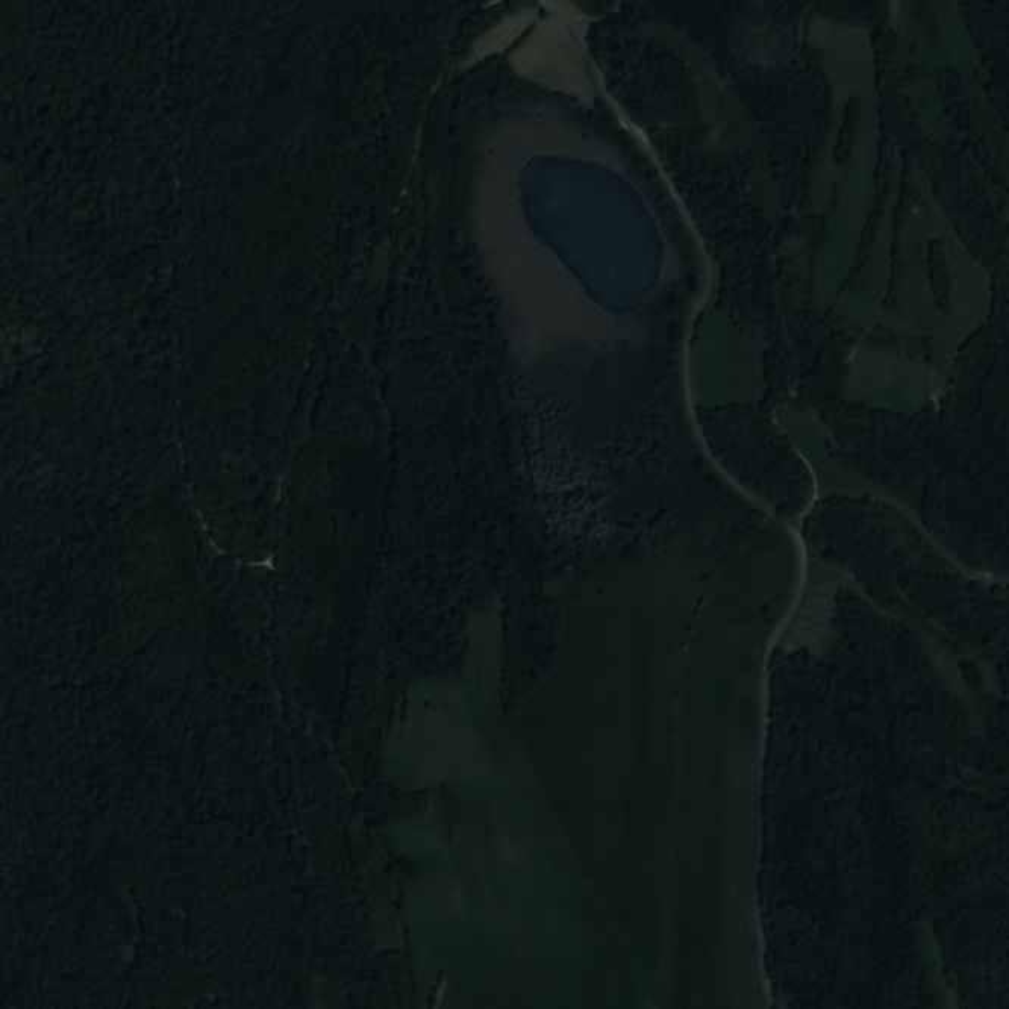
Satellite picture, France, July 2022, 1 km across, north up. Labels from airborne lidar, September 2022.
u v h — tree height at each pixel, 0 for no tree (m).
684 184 18
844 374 18
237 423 18
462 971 0
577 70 0
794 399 7
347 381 15
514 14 10
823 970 14
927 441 14
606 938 0
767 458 6
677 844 0
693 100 14
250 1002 16
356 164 17
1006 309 12
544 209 0
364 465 10
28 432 15
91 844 22
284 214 19
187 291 15
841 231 0
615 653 0
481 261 6
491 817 0
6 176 16
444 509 19
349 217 15
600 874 0
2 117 18
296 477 7
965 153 18
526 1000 0
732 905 0
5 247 13
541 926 0
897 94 17
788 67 7
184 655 17
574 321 0
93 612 12
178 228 11
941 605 14
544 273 0
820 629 0
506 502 23
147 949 16
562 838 0
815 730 17
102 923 18
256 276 17
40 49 14
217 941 15
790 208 13
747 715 0
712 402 0
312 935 10
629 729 0
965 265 0
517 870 0
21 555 16
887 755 15
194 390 18
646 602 0
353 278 19
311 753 20
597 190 0
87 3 8
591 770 0
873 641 21
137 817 17
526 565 10
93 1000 19
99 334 11
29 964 16
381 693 18
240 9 15
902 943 12
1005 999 13
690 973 0
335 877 12
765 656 0
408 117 17
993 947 13
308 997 19
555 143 0
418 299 22
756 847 0
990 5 13
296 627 18
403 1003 20
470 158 6
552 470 13
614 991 0
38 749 14
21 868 10
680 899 0
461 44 16
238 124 16
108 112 22
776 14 12
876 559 16
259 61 13
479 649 0
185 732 11
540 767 0
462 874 0
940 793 23
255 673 9
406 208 12
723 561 5
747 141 0
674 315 22
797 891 12
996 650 7
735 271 11
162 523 8
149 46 19
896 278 6
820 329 6
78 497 18
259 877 14
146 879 16
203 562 6
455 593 16
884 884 24
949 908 9
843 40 0
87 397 14
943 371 0
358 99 14
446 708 0
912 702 11
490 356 19
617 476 20
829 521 12
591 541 5
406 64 18
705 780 0
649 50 8
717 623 0
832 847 15
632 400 6
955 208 17
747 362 0
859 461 17
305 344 14
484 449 25
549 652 16
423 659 20
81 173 20
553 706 0
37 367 15
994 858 8
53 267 16
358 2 16
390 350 18
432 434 17
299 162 15
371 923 15
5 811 18
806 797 15
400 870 17
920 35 6
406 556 25
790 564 0
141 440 16
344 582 12
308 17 15
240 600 18
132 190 17
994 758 13
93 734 23
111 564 7
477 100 10
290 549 7
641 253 0
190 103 14
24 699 20
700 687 0
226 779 16
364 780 7
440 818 0
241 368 20
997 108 17
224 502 22
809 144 10
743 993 0
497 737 0
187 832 16
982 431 14
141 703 18
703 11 15
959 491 10
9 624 14
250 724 17
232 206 18
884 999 14
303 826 13
